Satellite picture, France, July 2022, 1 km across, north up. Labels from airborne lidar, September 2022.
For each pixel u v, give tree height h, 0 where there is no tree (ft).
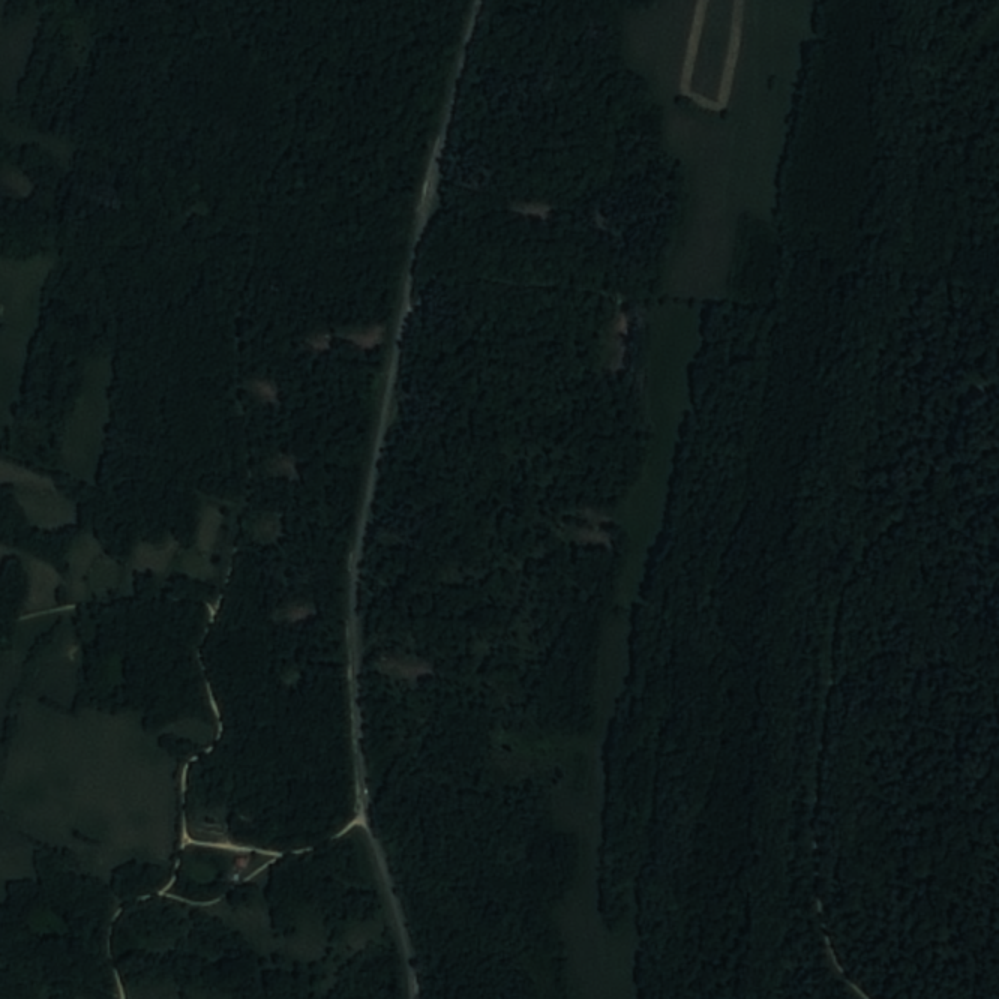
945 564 74
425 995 43
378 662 49
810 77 53
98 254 44
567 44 50
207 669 22
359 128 53
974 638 99
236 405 46
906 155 61
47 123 39
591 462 55
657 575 77
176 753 34
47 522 0
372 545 66
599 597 62
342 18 47
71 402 73
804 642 51
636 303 54
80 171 30
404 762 31
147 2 75
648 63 0
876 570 57
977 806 80
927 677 77
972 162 63
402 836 51
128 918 32
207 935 27
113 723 0
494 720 63
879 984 58
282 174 53
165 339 52
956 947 51
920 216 57
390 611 61
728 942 52
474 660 55
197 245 44
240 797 27
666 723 38
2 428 0
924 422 90
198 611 45
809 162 43
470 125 59
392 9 63
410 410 53
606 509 71
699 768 78
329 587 58
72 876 37
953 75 50
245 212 56
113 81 48
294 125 48
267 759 45
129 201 78
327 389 45
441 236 64
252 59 57
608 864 61
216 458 60
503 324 45
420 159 53
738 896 35
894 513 73
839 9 43
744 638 59
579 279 50
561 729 67
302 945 0
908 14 68
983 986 73
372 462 0
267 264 30
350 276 55
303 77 63
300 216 36
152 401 59
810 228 35
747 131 0
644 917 29
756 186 0
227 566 34
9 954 49
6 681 0
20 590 54
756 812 78
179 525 64
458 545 47
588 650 58
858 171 54
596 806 0
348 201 28
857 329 73
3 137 24
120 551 44
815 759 62
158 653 57
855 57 55
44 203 40
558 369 61
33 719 0
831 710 44
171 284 50
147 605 59
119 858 0
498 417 49
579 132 49
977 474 98
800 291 56
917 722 68
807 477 70
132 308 50
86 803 0
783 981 44
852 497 75
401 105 54
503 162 56
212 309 67
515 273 47
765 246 22
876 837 50
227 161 61
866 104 54
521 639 51
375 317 59
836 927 53
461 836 31
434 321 73
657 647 49
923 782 62
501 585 55
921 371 19
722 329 75
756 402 65
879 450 65
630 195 54
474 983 73
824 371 66
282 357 50
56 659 0
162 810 0
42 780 0
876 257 71
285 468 0
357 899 71
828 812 59
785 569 86
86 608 36
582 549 76
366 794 0
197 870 0
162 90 64
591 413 68
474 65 48
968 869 80
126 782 0
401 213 56
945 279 50
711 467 50
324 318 54
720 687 76
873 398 59
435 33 67
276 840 25
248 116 60
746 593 49
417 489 56
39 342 57
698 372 72
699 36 0
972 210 67
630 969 0
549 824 83
